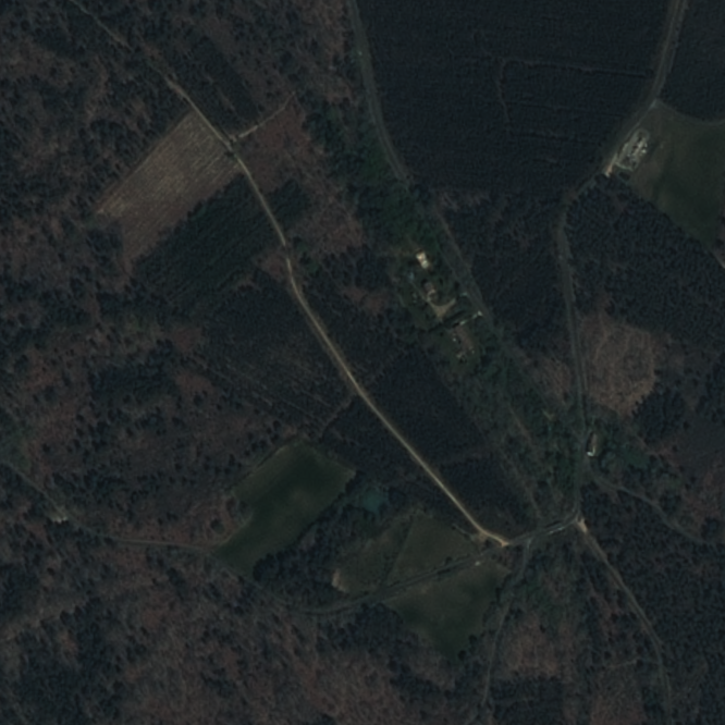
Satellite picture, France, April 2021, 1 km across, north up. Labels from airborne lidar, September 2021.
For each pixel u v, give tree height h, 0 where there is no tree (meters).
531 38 14
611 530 19
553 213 20
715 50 7
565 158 12
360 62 23
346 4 15
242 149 8
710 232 0
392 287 19
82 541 17
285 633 10
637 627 18
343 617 10
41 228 14
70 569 16
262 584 24
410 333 16
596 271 21
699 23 8
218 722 7
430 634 0
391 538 0
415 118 14
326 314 12
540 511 7
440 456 12
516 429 16
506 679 14
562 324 21
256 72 7
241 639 9
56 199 10
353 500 9
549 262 12
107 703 15
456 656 0
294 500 0
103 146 12
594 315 20
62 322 17
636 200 17
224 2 11
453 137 13
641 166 0
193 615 18
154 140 16
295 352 9
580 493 0
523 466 18
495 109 13
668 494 15
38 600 15
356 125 22
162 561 8
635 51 12
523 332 9
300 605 7
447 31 16
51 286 7
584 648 13
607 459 13
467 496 12
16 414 17
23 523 14
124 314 21
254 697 22
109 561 8
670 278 17
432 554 0
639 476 20
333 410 9
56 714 18
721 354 18
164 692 17
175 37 8
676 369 13
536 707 15
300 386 9
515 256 16
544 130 14
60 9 17
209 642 12
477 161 14
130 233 0
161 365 19
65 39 13
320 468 0
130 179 0
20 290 17
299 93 14
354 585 0
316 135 21
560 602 12
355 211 16
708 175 0
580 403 22
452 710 9
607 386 13
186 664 10
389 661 6
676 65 9
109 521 9
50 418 14
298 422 12
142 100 21
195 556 6
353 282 21
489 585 0
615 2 14
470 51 15
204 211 13
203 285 10
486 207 7
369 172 27
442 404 12
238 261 12
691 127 0
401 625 21
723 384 21
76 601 12
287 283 11
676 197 0
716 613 18
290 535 0
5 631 14
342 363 0
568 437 9
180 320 20
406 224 25
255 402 12
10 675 9
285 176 14
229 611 11
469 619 0
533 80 16
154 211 0
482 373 12
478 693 9
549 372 20
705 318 18
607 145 11
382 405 11
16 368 11
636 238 16
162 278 8
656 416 16
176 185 0
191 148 0
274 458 0
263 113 16
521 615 20
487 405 21
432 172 14
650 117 0
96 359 8
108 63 16
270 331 9
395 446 7
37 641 15
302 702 15
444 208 17
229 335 8
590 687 15
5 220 17
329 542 19
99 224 19
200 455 9
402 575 0
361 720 11
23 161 9
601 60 13
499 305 14
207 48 15
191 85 17
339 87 15
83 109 9
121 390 23
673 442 8
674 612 19
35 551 19
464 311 8
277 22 6
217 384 10
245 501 0
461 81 12
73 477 7
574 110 11
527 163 11
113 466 9
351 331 10
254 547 0
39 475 17
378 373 11
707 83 9
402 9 14
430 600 0
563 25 14
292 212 12
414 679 22
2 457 19
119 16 8
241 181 11
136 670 8
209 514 6
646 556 19
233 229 13
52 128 13
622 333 6
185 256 12
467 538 8
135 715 7
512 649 16
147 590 9
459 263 21
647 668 14
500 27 13
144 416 16
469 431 13
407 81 11
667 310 19
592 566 21
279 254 14
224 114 15
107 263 18
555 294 14
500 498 11
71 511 18
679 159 0
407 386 11
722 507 6
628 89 14
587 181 7
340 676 18
